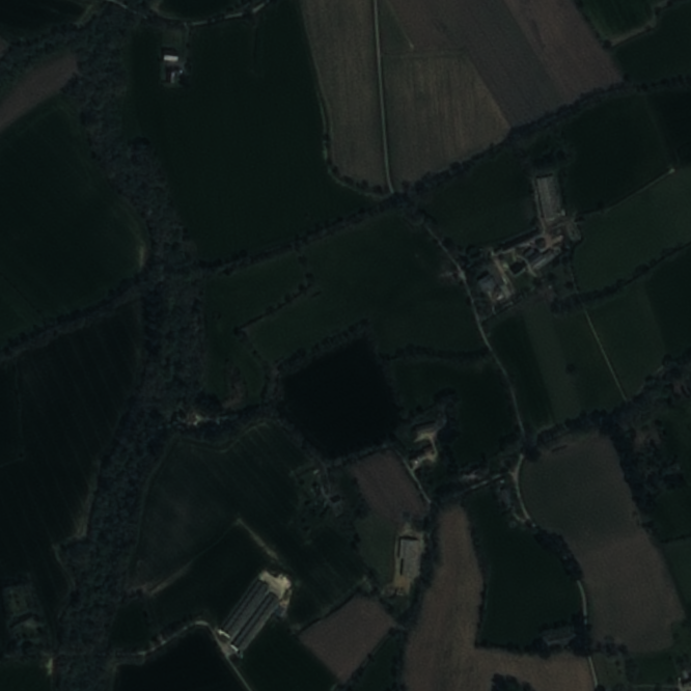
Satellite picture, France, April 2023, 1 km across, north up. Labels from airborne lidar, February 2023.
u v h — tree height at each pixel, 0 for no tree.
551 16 0
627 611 0
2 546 0
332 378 0
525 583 0
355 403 0
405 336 0
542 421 0
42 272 0
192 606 0
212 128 0
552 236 0
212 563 0
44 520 0
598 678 0
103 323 0
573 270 6
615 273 0
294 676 0
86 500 0
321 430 0
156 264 21
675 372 18
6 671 0
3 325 0
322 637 0
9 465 0
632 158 0
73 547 7
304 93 0
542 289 14
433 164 0
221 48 0
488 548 0
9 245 0
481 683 0
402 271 0
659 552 0
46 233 0
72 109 0
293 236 0
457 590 0
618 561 0
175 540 0
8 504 0
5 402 0
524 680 0
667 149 0
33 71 0
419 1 0
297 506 0
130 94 0
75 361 0
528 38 0
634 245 0
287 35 0
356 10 0
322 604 0
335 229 11
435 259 0
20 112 0
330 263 0
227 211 0
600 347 0
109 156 11
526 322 0
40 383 0
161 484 0
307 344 0
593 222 0
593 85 0
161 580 0
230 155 0
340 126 0
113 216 0
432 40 0
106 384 0
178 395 12
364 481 0
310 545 0
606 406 0
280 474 0
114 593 22
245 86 0
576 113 11
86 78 15
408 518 0
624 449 20
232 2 0
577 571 19
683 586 0
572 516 0
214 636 11
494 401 0
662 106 0
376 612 0
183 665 0
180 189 0
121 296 17
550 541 17
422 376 0
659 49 0
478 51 0
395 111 0
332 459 13
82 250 0
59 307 0
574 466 0
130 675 0
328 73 0
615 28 0
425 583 13
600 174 0
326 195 0
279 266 0
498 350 0
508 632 0
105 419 0
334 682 0
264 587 0
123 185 12
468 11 0
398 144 0
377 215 9
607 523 0
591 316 0
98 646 10
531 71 0
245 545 0
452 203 0
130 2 9
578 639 14
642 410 15
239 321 0
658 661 0
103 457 0
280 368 8
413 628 14
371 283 0
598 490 0
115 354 0
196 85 0
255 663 0
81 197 0
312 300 0
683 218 0
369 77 0
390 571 0
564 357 0
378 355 8
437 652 0
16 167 0
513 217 0
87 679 8
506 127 0
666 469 14
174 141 0
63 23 0
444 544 0
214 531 0
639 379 0
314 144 0
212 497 0
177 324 16
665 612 0
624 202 0
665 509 0
